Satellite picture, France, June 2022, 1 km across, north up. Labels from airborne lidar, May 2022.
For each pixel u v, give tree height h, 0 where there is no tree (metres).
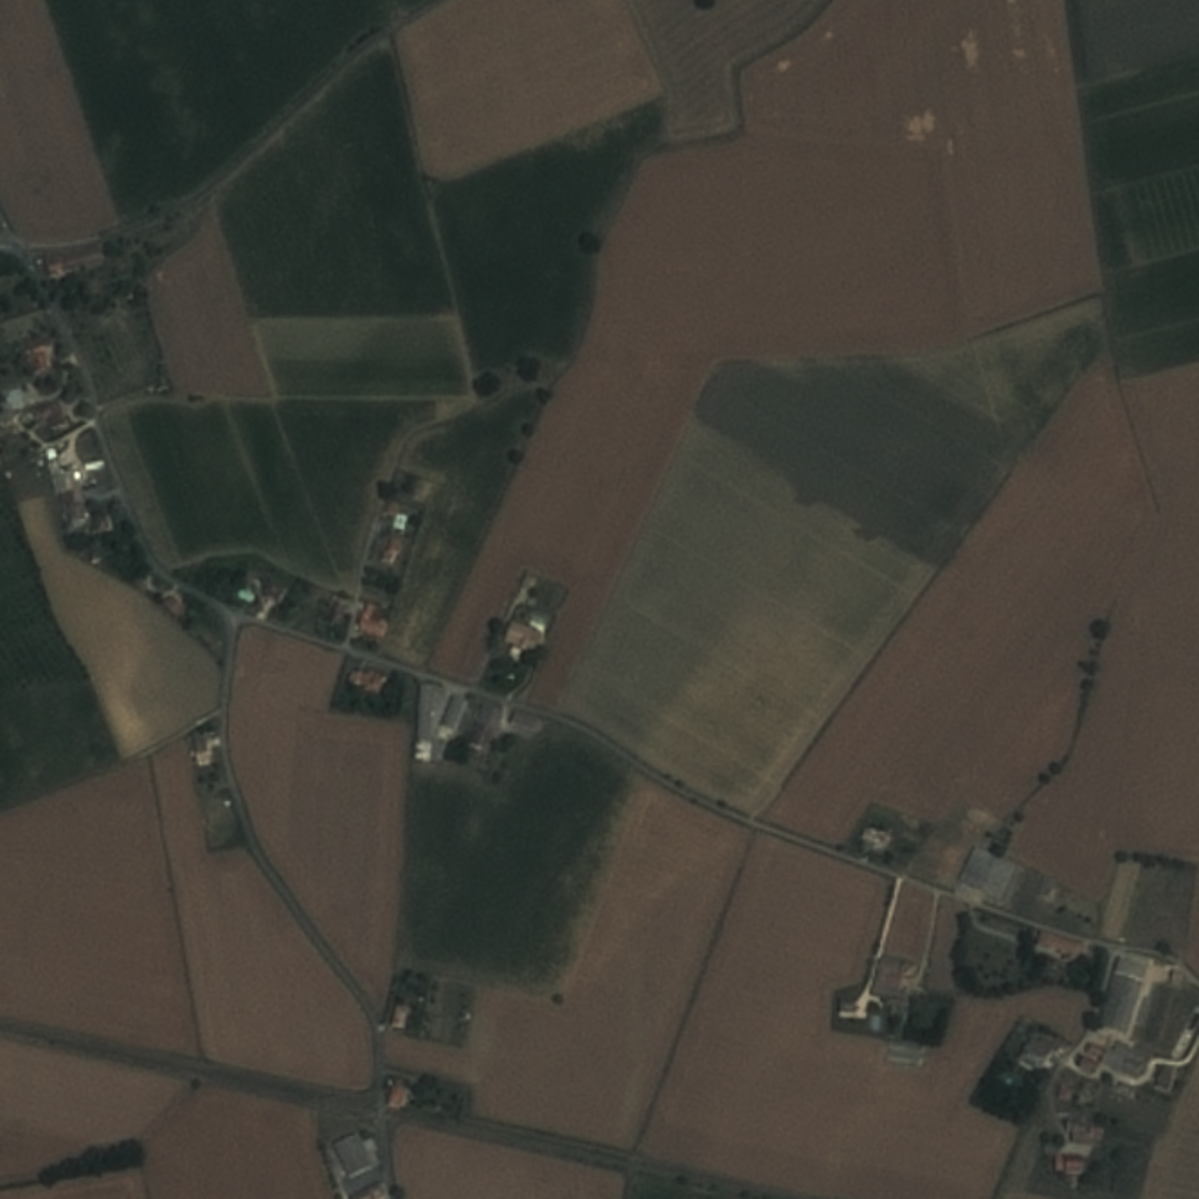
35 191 0
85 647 0
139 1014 0
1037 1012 0
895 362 0
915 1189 0
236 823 0
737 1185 0
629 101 0
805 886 0
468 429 0
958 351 0
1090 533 0
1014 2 0
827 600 0
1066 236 0
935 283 0
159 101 0
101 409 0
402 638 0
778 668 0
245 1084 0
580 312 0
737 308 0
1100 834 0
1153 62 0
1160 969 0
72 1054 0
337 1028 0
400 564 0
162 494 0
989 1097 9
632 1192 0
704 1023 0
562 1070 0
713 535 0
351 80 0
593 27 0
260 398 0
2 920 0
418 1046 0
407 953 0
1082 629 0
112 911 0
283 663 0
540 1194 0
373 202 0
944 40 0
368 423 0
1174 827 0
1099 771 0
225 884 0
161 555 0
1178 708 0
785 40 0
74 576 0
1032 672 0
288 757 0
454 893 0
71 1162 11
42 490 0
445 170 0
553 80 0
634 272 0
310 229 0
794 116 0
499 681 7
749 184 0
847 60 0
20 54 0
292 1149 0
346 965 0
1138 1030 0
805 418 0
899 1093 0
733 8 0
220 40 0
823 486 0
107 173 0
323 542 0
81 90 0
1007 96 0
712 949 0
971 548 0
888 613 0
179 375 0
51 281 7
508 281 0
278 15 0
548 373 0
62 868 0
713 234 0
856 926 0
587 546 0
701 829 0
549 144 0
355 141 0
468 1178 0
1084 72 0
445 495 0
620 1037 0
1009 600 0
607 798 0
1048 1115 0
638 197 0
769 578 0
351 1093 0
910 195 0
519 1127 0
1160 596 0
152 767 0
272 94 0
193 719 0
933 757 0
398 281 0
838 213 0
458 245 0
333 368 0
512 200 0
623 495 0
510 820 0
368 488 0
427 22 0
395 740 0
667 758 0
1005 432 0
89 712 0
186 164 0
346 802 0
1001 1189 0
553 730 0
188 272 0
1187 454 0
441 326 0
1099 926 0
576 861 0
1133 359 0
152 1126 0
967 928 10
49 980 0
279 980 0
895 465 0
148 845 0
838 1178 0
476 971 0
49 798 0
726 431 0
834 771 0
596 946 0
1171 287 0
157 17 0
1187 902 0
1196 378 0
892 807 0
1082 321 0
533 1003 0
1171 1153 0
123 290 8
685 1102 0
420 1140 0
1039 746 0
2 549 0
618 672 0
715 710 0
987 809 0
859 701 0
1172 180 0
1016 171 0
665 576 0
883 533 0
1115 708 0
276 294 0
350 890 0
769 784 0
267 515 0
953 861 0
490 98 0
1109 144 0
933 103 0
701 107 0
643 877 0
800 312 0
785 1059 0
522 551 0
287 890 0
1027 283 0
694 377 0
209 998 0
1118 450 0
